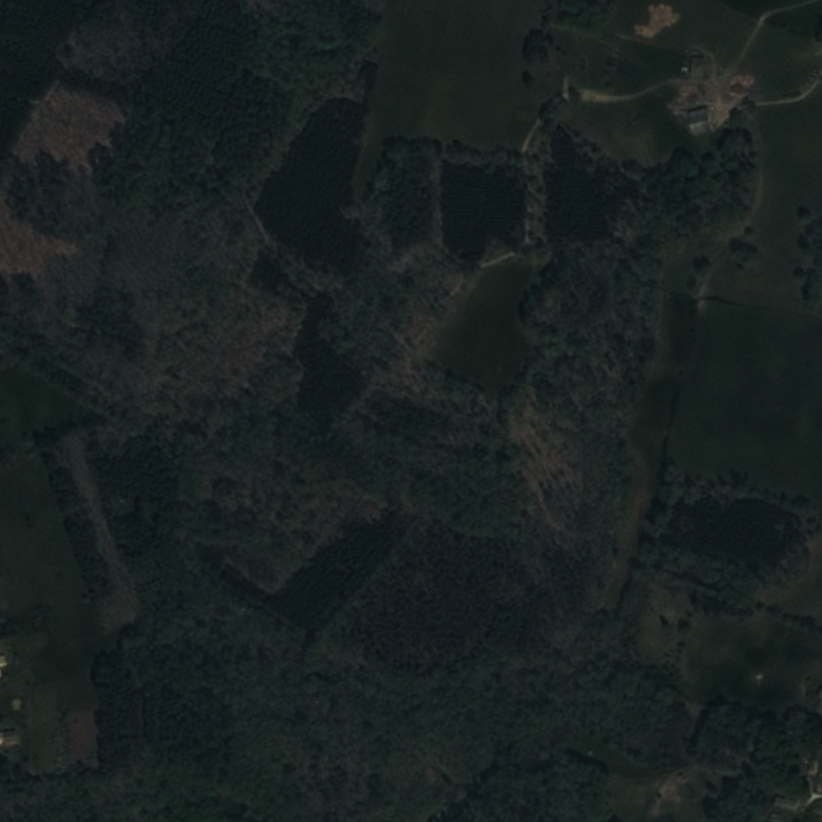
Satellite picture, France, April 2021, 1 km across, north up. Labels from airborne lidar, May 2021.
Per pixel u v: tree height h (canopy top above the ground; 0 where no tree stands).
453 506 24
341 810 14
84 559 20
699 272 15
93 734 0
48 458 18
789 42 0
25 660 0
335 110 10
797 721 17
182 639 18
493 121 0
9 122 14
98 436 24
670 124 0
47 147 18
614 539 16
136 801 18
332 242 11
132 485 21
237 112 23
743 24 0
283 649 26
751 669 0
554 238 10
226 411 22
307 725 27
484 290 0
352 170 11
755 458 0
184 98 22
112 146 19
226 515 13
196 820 25
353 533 8
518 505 23
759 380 0
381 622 22
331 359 11
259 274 11
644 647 0
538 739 16
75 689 0
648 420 0
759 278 0
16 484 0
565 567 24
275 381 22
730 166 17
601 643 18
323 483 19
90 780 18
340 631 19
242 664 22
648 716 16
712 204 20
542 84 0
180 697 24
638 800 0
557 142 8
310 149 10
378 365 20
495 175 9
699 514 10
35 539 0
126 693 24
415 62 0
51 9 12
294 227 10
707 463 0
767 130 0
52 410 0
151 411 18
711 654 0
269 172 14
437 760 18
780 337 0
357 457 27
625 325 20
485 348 0
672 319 0
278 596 7
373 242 10
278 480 12
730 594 17
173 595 16
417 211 21
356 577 9
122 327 25
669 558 18
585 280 30
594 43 0
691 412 0
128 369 19
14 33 11
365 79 11
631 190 10
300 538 14
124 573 22
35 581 0
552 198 8
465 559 20
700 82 0
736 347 0
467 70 0
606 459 18
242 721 19
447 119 0
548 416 19
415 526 14
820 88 0
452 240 12
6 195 16
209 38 23
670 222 18
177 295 17
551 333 21
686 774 0
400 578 21
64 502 20
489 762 20
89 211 19
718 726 23
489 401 12
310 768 15
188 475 27
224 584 12
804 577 17
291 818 25
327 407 10
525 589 13
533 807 18
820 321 0
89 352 15
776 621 7
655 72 0
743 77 0
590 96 0
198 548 8
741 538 10
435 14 0
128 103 11
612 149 0
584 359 17
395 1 0
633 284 22
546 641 22
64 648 0
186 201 18
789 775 25
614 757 0
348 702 23
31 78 11
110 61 16
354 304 17
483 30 0
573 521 17
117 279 14
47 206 11
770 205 0
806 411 0
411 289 22
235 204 12
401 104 0
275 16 12
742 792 23
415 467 17
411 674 22
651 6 0
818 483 0
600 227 10
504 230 12
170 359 21
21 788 12
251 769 16
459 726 19
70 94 21
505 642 24
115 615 22
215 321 14
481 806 18
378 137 0
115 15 21
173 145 22
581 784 27
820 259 12
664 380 0
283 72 21
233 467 16
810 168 0
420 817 21
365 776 17
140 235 14
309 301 9
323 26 17
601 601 21
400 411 8
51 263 17
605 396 18
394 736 18
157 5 22
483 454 16
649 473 0
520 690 20
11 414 0
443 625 22
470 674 26
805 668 0
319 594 9
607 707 21
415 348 18
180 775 22
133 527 22
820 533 15
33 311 19
